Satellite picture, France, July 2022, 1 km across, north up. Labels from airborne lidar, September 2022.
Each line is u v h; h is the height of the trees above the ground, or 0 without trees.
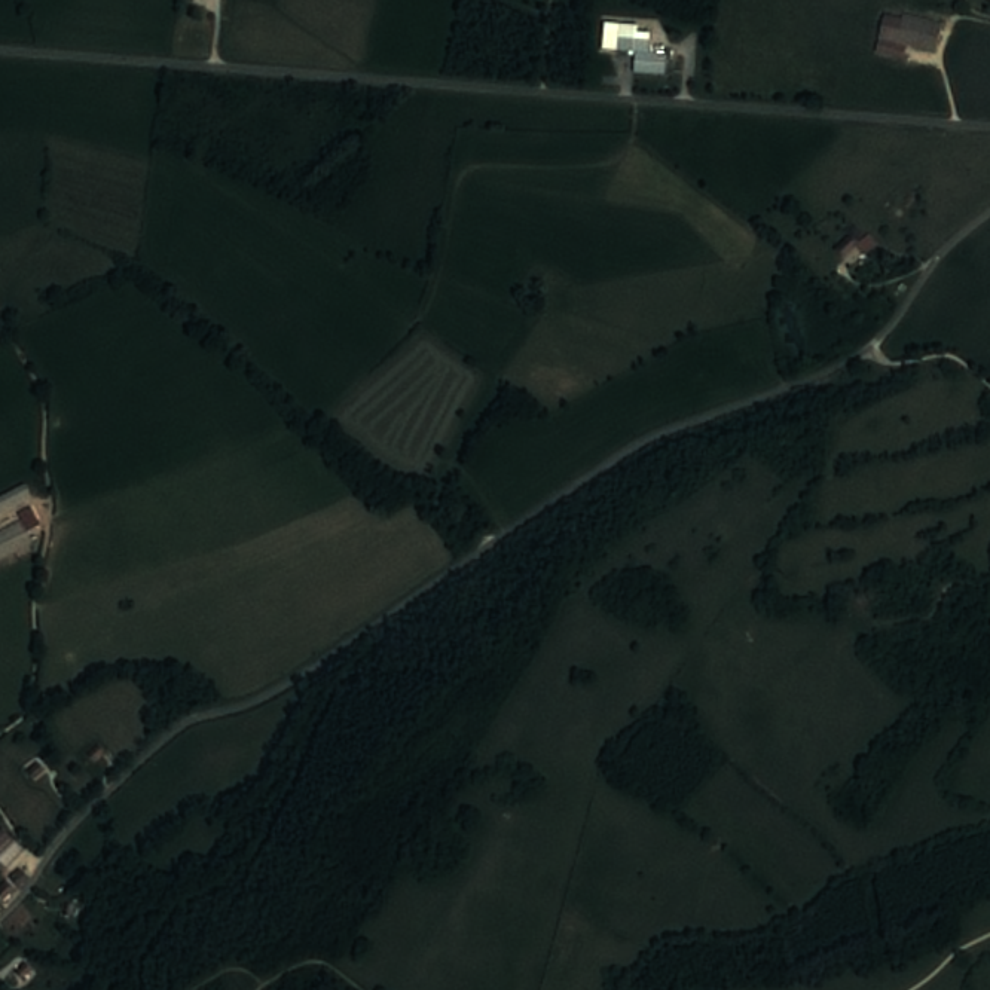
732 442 7
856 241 0
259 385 7
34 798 0
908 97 0
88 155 0
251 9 0
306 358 0
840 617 15
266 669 0
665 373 0
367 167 15
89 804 13
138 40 0
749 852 0
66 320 0
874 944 22
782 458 10
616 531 8
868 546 0
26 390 0
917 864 10
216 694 18
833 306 15
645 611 18
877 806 8
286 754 20
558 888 0
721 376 0
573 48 22
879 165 0
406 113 0
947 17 0
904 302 0
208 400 0
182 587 0
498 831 0
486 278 0
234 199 0
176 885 20
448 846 13
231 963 14
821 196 0
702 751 12
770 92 0
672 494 9
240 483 0
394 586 0
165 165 0
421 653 18
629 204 0
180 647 0
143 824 0
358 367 0
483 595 13
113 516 0
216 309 0
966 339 0
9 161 0
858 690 0
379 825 14
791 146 0
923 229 0
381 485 23
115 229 0
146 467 0
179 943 21
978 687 10
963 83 0
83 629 0
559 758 0
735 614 0
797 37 0
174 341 0
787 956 20
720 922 0
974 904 10
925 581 9
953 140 0
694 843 0
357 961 13
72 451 0
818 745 0
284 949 12
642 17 0
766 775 0
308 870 15
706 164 0
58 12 0
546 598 14
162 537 0
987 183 0
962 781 0
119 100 0
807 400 19
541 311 16
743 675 0
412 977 0
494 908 0
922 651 6
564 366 0
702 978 12
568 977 0
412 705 12
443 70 9
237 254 0
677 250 0
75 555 0
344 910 10
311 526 0
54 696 21
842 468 18
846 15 0
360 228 0
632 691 0
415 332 9
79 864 21
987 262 0
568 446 0
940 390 0
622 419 0
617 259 0
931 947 10
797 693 0
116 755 0
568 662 0
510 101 0
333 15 0
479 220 0
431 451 0
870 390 9
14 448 0
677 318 0
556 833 0
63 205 0
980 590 8
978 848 12
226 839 8
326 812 15
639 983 15
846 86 0
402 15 0
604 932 0
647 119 0
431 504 8
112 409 0
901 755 14
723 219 0
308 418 7
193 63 0
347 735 11
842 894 13
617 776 14
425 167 0
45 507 0
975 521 9
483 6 18
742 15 0
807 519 17
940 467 0
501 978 0
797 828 0
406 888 0
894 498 0
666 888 0
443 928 0
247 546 0
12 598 0
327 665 13
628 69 0
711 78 13
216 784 0
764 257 0
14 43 0
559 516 9
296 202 13
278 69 0
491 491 0
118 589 0
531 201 0
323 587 0
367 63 0
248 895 18
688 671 0
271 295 0
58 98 0
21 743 13
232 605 0
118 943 21
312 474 0
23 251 0
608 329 0
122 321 0
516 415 18
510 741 0
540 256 0
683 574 0
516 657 6
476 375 0
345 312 0
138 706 0
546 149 0
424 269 16
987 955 6
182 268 0
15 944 13
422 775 6
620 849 0
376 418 0
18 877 0
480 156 0
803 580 0
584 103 0
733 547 0
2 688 0
